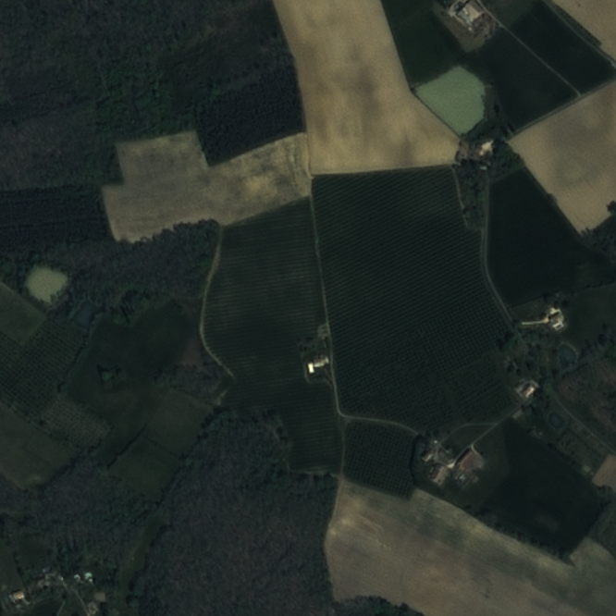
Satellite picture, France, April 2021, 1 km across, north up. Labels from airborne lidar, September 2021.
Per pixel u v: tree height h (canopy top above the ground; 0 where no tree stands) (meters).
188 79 7
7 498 18
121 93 23
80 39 16
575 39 0
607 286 11
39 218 17
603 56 0
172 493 12
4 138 14
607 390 10
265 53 17
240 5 15
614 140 0
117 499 8
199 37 21
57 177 22
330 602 17
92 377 0
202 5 15
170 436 0
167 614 14
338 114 0
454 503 0
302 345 12
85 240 13
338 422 0
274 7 0
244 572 11
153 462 0
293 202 0
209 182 0
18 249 17
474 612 0
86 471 21
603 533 16
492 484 0
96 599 0
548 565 0
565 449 7
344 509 0
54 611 0
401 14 0
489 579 0
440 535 0
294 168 0
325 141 0
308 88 0
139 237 0
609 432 8
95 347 0
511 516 0
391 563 0
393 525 0
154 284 21
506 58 0
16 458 0
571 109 0
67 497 16
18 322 0
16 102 9
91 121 20
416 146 0
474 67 0
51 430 12
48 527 19
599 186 0
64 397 13
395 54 0
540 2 0
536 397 8
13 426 0
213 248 16
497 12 0
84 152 23
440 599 0
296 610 9
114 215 0
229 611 18
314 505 19
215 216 0
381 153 0
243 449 17
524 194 0
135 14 16
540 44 0
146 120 17
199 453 6
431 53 0
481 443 0
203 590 12
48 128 16
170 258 13
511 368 6
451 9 0
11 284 16
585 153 0
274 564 9
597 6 0
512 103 0
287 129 12
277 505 15
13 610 15
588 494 0
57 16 20
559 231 0
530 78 0
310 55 0
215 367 10
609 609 0
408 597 0
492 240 0
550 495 0
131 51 12
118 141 20
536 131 0
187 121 10
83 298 20
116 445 0
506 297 0
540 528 0
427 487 0
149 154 0
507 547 0
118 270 14
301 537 12
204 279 9
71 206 15
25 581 16
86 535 16
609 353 22
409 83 0
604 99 0
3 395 11
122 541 18
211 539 15
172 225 0
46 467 0
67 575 9
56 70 6
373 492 0
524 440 0
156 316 0
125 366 0
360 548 0
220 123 12
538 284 0
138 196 0
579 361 6
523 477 0
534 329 0
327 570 8
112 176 16
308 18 0
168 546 18
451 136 0
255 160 0
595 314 0
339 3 0
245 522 15
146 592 14
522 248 0
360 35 0
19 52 8
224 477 14
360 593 0
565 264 0
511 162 15
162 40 20
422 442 12
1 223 15
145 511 12
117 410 0
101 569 8
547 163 0
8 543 12
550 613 0
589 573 0
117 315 13
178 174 0
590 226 0
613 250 23
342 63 0
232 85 14
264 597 10
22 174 16
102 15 20
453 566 0
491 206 0
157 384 14
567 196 0
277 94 15
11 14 12
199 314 0
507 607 0
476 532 0
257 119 11
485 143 10
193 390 16
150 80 18
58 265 11
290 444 19
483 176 7
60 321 8
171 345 0
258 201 0
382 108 0
